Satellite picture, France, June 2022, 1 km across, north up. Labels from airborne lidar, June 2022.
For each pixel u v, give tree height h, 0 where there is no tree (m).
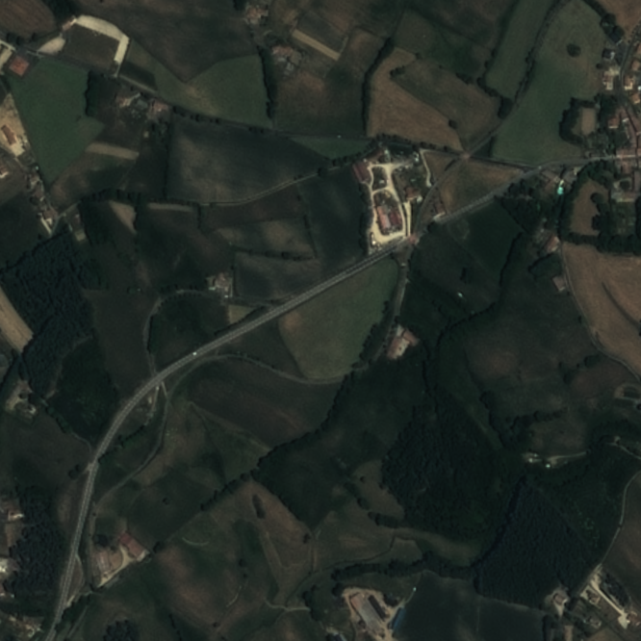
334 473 0
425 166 0
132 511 0
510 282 14
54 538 17
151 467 0
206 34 0
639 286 0
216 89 0
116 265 0
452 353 0
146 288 0
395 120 0
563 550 26
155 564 0
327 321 0
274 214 0
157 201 9
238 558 0
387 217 0
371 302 0
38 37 13
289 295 0
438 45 0
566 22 0
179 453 0
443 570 31
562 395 0
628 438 0
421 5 0
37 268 32
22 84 0
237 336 0
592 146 0
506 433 23
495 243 0
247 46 0
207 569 0
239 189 0
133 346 0
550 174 0
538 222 11
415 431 9
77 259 24
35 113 0
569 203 20
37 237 0
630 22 0
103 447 0
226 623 0
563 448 0
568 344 0
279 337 0
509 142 0
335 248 0
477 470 8
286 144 0
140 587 0
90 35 0
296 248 0
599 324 0
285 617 0
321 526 0
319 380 0
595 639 0
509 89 0
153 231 0
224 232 0
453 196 0
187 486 0
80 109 0
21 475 0
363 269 0
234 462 0
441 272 0
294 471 0
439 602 0
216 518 0
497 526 8
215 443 0
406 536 0
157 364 0
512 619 0
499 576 26
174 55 0
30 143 0
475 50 0
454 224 0
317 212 0
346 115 0
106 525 0
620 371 0
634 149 0
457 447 14
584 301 0
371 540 0
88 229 10
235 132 0
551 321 0
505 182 0
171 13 0
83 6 0
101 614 0
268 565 0
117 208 0
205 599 0
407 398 0
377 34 0
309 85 0
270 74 15
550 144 0
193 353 0
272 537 0
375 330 15
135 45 0
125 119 0
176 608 0
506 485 9
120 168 0
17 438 0
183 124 0
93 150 0
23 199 0
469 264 0
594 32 0
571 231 11
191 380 0
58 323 25
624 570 0
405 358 10
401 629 0
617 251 18
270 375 0
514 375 0
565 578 29
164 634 0
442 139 0
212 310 0
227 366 0
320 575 0
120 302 0
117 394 10
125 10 0
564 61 0
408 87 0
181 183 0
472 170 0
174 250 0
